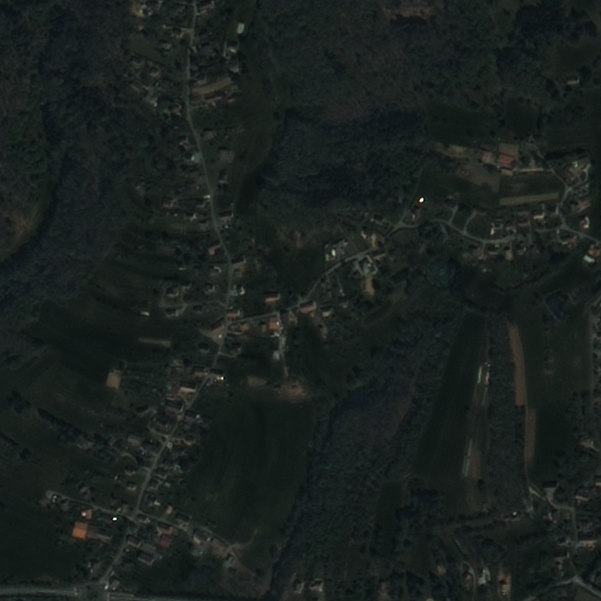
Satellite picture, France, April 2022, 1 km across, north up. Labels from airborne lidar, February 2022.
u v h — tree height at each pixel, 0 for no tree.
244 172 0
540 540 14
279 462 0
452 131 0
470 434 0
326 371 0
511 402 19
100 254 27
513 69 28
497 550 17
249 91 0
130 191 0
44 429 0
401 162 17
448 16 22
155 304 0
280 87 0
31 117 10
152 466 0
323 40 18
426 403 16
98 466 0
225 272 0
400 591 18
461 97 21
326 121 13
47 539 0
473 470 0
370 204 20
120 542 11
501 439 13
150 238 10
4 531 0
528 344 0
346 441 20
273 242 0
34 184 17
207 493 0
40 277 21
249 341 0
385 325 0
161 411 0
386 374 20
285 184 16
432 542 18
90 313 0
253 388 0
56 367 0
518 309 0
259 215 0
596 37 19
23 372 0
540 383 0
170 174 21
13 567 0
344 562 10
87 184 26
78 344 0
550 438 0
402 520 23
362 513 14
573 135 0
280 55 28
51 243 27
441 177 0
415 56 21
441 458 0
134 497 0
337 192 19
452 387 0
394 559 13
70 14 29
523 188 0
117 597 0
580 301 0
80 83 22
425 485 0
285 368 0
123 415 15
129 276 0
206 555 0
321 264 0
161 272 0
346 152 20
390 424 27
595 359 7
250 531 0
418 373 19
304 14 22
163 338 0
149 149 20
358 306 8
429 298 0
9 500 0
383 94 17
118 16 10
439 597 19
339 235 0
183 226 0
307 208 23
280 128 8
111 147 0
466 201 0
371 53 21
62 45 28
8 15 29
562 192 0
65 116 10
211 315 0
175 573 0
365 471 12
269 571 0
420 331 24
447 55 24
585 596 0
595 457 13
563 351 0
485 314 12
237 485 0
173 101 8
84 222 27
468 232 0
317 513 17
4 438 12
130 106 9
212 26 8
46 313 0
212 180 0
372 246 0
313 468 19
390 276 15
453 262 12
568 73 0
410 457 6
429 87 19
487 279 0
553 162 11
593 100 0
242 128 0
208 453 0
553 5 17
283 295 13
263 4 19
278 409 0
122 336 0
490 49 24
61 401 0
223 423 0
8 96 23
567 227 0
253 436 0
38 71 9
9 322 21
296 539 19
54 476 0
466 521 14
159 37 18
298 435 0
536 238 7
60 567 0
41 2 22
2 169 19
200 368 0
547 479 0
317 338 0
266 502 0
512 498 21
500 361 21
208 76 10
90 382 0
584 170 0
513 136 0
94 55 25
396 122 35
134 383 6
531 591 15
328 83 20
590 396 14
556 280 0
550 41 22
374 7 17
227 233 7
